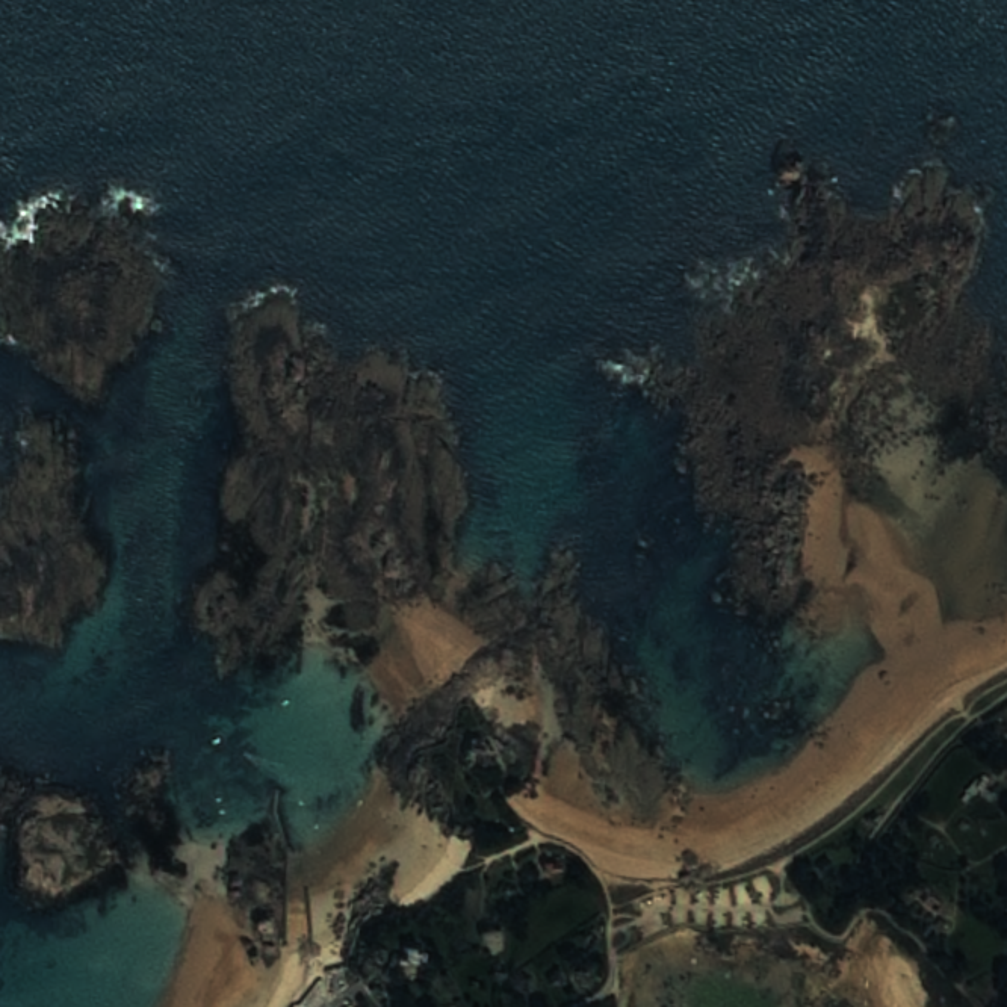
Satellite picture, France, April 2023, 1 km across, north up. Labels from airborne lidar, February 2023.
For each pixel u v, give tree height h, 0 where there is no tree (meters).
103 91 0
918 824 7
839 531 0
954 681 0
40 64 0
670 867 0
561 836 0
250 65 0
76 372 0
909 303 0
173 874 0
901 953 0
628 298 0
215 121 0
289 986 0
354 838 0
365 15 0
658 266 0
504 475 0
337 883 0
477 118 0
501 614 0
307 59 0
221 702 0
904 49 0
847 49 0
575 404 0
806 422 0
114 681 0
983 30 0
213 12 0
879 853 15
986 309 0
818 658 0
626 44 0
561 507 0
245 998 0
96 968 0
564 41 0
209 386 0
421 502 0
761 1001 0
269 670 0
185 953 0
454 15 0
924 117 0
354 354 0
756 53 0
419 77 0
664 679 0
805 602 0
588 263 0
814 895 13
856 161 0
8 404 0
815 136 0
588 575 0
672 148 0
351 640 0
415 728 0
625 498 0
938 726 0
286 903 0
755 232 0
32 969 0
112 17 0
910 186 0
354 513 0
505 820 10
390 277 0
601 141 0
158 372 0
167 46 0
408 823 0
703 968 0
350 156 0
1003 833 0
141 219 0
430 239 0
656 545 0
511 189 0
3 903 0
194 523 0
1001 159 0
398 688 0
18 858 0
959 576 0
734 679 0
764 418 0
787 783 0
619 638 0
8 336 0
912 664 0
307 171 0
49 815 0
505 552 0
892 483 0
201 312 0
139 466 0
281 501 0
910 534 0
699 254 0
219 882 0
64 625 0
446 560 0
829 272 0
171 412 0
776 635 0
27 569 0
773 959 0
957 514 0
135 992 0
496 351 0
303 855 0
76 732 0
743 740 0
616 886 0
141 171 0
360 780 0
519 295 0
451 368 0
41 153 0
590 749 0
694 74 0
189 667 0
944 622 0
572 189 0
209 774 0
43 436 0
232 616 0
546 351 0
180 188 0
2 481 0
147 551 0
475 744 0
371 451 0
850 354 0
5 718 0
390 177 0
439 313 0
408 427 0
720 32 0
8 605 0
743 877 0
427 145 0
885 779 0
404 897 0
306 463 0
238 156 0
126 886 0
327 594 0
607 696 0
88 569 0
